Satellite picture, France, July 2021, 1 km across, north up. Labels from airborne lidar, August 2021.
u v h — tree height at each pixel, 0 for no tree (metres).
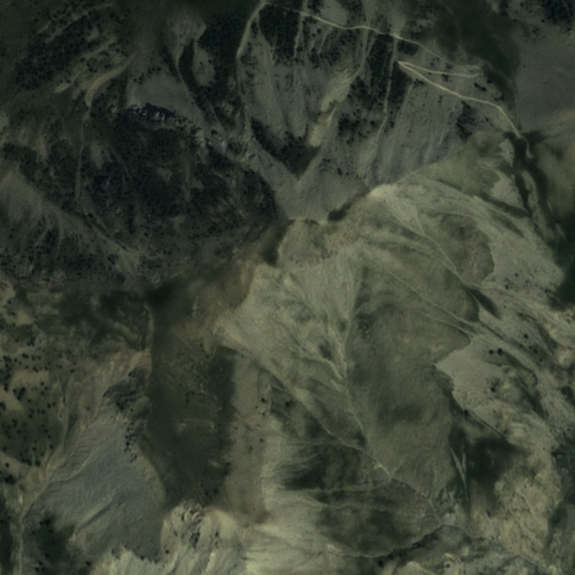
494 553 0
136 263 0
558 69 0
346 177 0
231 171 0
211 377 0
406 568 0
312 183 0
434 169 0
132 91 0
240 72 0
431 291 0
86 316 0
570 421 0
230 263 0
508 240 0
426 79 0
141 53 0
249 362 0
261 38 0
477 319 0
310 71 0
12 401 0
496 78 0
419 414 0
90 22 8
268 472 0
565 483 0
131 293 0
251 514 0
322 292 0
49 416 0
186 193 0
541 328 0
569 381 0
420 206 0
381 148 0
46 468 0
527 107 0
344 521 0
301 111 0
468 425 0
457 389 0
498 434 0
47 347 0
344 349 0
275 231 0
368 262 0
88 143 0
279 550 0
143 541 0
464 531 0
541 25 0
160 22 0
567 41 0
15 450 0
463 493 0
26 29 0
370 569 0
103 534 0
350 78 0
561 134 0
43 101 0
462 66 0
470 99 0
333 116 0
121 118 7
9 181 0
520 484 0
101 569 0
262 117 0
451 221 0
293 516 0
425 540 0
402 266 0
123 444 0
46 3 0
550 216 0
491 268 0
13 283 0
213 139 0
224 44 6
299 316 0
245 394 0
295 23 9
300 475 0
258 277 0
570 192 0
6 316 0
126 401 0
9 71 0
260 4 0
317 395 0
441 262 0
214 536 0
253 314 0
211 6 0
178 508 0
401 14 0
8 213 0
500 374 0
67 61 7
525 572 0
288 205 0
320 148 0
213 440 0
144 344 0
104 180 8
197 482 0
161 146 6
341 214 0
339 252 0
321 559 0
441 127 0
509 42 0
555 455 8
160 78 0
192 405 0
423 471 0
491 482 0
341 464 0
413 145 0
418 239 0
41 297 0
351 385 0
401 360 0
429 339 0
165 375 0
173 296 0
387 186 0
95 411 0
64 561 0
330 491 0
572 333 0
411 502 0
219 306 0
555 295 0
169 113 0
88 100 0
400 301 0
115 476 0
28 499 0
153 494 0
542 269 0
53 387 0
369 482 0
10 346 0
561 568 0
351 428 0
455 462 0
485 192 0
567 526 0
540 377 0
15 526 0
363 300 0
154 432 0
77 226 0
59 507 0
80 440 0
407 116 0
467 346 0
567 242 0
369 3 0
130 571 0
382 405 0
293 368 0
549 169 0
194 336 0
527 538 0
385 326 0
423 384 0
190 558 0
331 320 0
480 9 0
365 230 0
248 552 0
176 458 0
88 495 0
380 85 7
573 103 0
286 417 0
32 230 0
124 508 0
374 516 0
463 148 0
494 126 0
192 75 8
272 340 0
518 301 0
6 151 7
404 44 7
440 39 0
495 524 0
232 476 0
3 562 0
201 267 0
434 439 0
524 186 0
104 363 0
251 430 0
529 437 0
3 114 0
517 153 0
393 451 0
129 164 6
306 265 0
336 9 0
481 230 0
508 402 0
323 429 0
